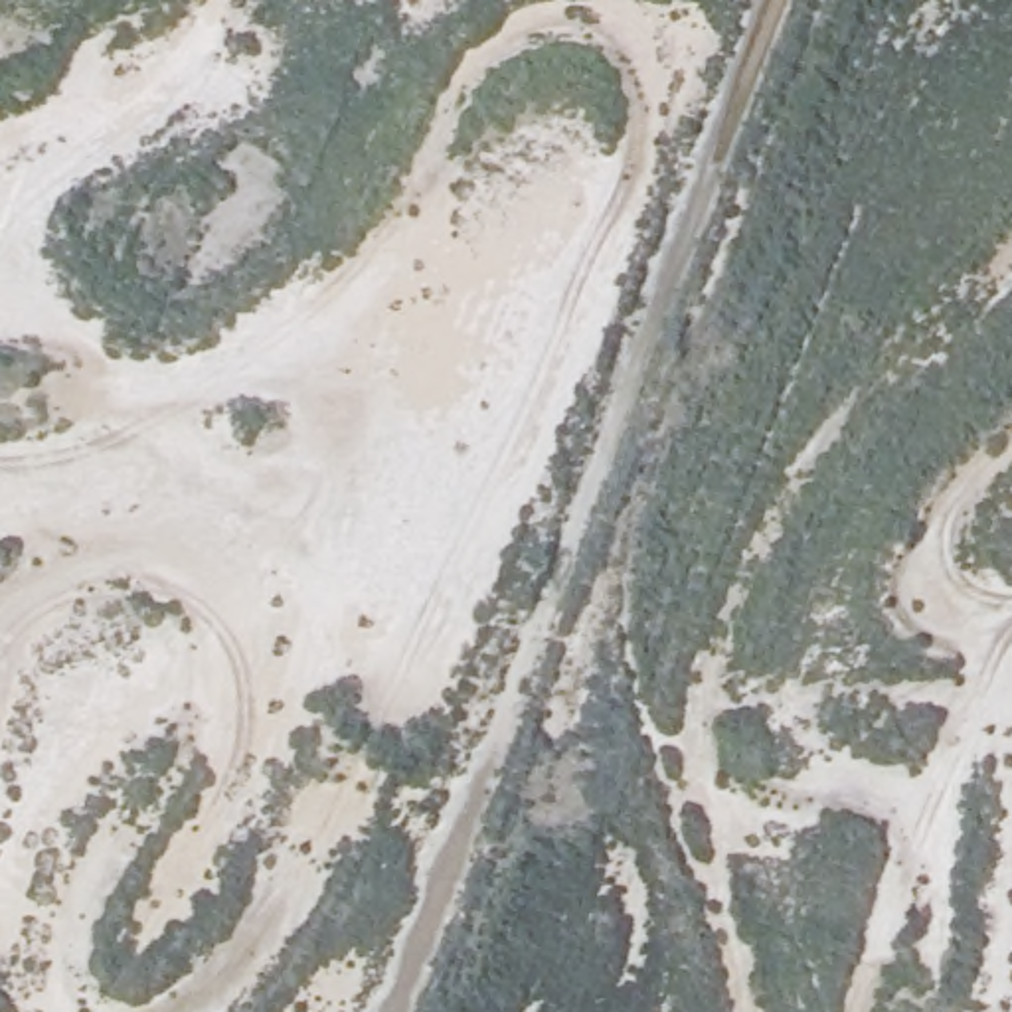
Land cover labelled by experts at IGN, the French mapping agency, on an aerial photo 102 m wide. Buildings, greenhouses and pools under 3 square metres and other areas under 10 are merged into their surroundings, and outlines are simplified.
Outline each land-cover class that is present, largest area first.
<instances>
[{"label":"pervious surface","instance_id":"1","mask_svg":"<svg viewBox=\"0 0 1012 1012\"><path fill-rule=\"evenodd\" d=\"M795 0H747L739 16L743 28L735 51H723L708 16L692 0H502V8L510 12L506 24L498 28V36L470 47L455 67L447 91L435 103V119L411 162V174L403 178V190L395 194L387 217L368 233L360 253L348 257L340 269L324 273L320 281H289L265 304L237 316V324L221 332L217 348L210 352L182 356L174 364L115 360L103 348V320H79L71 304L59 296L55 269L43 257L47 213L67 190L83 182L91 170L111 166L115 158H127L130 166L138 154L166 150L170 138H198L206 130H217L229 119H245L269 99L273 71L281 63V40L273 28L233 8V0H206L194 4L170 36L134 43L127 51H107L111 36L127 24L142 28V12L111 16L91 40L79 43L59 91L43 103L28 115H8L0 123V340L12 344L16 336H40L43 356L63 360L59 372L43 376V431L51 439H12L0 447V1012H229L233 1004L253 996L261 972L277 961L289 933L304 925L328 882L332 846H340L344 838H364V826L372 822L383 787V771L368 767L364 755L348 751L340 763L344 783H304L293 795L289 822L277 826L265 810L269 759L293 763V751L300 747H316L320 759L332 755V743L340 735L328 723V716L308 712L304 700L308 692L328 688L344 676L360 680L364 716L372 723L391 727L439 708L443 692L455 688L463 648L474 640V605L486 601V593L494 589L502 549L510 546L522 502L538 494V486L549 478L557 423L565 419L581 376L597 368L601 336L617 312V277L629 269V253L636 245V217L644 213L648 194L656 186V134L676 130L680 119H688L692 111H708L704 130L696 134V146L676 162L680 190L672 194L664 241L648 261L640 308L629 316L625 328L613 391L597 423V443L569 502V522L561 530L557 573L546 585L530 621L518 625V652L506 672V692L498 700H470L466 719L455 727L459 775H451V795L439 822L431 826L411 806L423 799V787H403L395 795V826H403L415 842V901L391 937L387 965L380 969L360 953H344L340 961L324 965L308 980V988H300L308 1012H419L435 961L443 953V937L463 913L470 870L478 858L490 854L482 822L498 791V767L522 719V680L538 668L549 629L557 625L561 597L569 593L577 569L581 538L589 530V510L597 506V494L613 470L644 360L660 336V320L676 312V289L688 277L696 265V241L704 237L719 206V178L731 170L739 138L751 115L759 111V91L767 83L771 55L791 24ZM553 36L569 43H597L621 71L629 123L617 150L601 154L593 123L585 119V111H573L546 119L522 115L514 130L486 127L470 154L451 158L447 146L455 138L459 115L470 107L482 75L510 55L546 47ZM245 395L285 407V427L261 431L253 447H241L233 431V399ZM134 593H150L154 601H182L186 609L174 621L166 617L162 625H146L142 613H134ZM166 723H178V755L158 783V799L142 814L127 810L123 751L146 747V739H158ZM198 755L210 759L213 783L202 791L198 814L182 822V830L158 858L150 893L134 905V949L158 941L170 921H186L194 909V893L217 889L213 854L225 842H237L253 830L265 838L269 850L257 854L253 897L233 937L213 945V953L194 957L190 972L174 980L166 992L150 996L146 1004L107 1000L91 972L95 921L103 913V901L119 886L123 870L134 862L138 846L158 830L174 791L182 787ZM87 799H111V814L99 818V830L87 854L79 858L71 854V834L59 814L83 806ZM43 846L59 850V905L28 901L32 866ZM459 0H399V16H407L411 24H427L439 12H455ZM988 20V8L961 0H933L909 12V28H917L921 55H937L945 32L957 20ZM51 32L12 24L8 16L0 20V51H20L32 43H47ZM225 170L237 178V194L213 206L202 253L190 265V285H202L210 273L225 269L241 249L257 245L261 225L281 206L277 162L257 146H237L225 158ZM850 419L838 403L806 439V447L787 463V482L767 506L763 530L739 553L735 581L719 605L723 636H716L712 648L696 656L700 684L688 688L684 727L676 735L660 731L652 708L644 704V668L633 633L621 629L617 636L597 640L613 585H633V573L601 569L589 605L577 617V629L565 644L561 676L549 696L546 731L561 735L581 723L593 672L613 688H633L640 731L652 743V775L668 791V822L676 846L692 866L696 882L708 889V897L719 901V913H708V925L723 933L727 992L735 1012H763L751 992L755 957L751 945L739 941V925L731 917V882L747 874V858H791L795 834L814 826L822 810H858L889 826V862L878 882V901L866 925V953L854 969L846 1012H870L882 965L893 961V937L901 933L909 905L929 909L921 961L929 976H941L953 937L949 878L961 838V791L972 775V763H980L984 755L996 759L1004 826L996 874L980 893V905L988 913L984 969L972 984V1000L965 1012H1012V585L996 569H961L957 534L961 526H972L976 502L988 494V482L1012 466V439L1000 455H976L933 478L929 494L917 506L925 538L917 542V549L893 542L882 569L886 581L878 585V613L889 621L893 636L933 633L929 656H965V684H846V672L866 664V644H858L842 660L838 648L810 644L799 656L791 680H783L779 672L747 676L727 664L735 648V613L747 601L743 589L763 569V557H771V546L783 534V518L795 510L799 490L810 478V466L822 451L838 443ZM826 696L858 700V708H866L870 696H889L901 708L937 704L949 716L925 771L909 775L905 767H878L854 759L850 751H838L830 735L818 731V704ZM735 708H767L771 727H783L802 747L806 771H799L795 779H767L751 799L743 791H723L716 783L712 731L716 716ZM688 802H700L712 818V862H700L692 854L684 830ZM593 771V763L569 755H542V763L530 775L526 799L553 791L557 802L534 806V822H589L581 775ZM605 874L621 882L629 913V965H644L648 941V901L633 850H609Z\"/></svg>","mask_w":1012,"mask_h":1012},{"label":"brushwood","instance_id":"2","mask_svg":"<svg viewBox=\"0 0 1012 1012\"><path fill-rule=\"evenodd\" d=\"M194 4L206 0H0V20L8 16L12 24L51 32L47 43H32L20 51L28 59V91H36L43 103L59 91L79 43L91 40L111 16L142 12V28L127 24L111 36L107 51H127L134 43L170 36ZM233 8L273 28L281 40V63L273 71L269 99L245 119H229L217 130H206L198 138H170L166 150L138 154L130 166L119 170V206L99 229H83L91 210V190L83 182L67 190L47 213L43 257L55 269L59 296L71 304L79 320H103V348L115 360L174 364L182 356L210 352L217 348L221 332L237 324V316L265 304L289 281H320L324 273L340 269L348 257L360 253L368 233L387 217L395 194L403 190V178L411 174V162L435 119V103L447 91L455 67L470 47L498 36V28L506 24L510 12L502 8V0H459L455 12H439L427 24H411L407 16H399V0H233ZM237 146H257L277 162L281 206L261 225L257 245L241 249L225 269L210 273L202 285H190V265L202 253L213 206L237 194V178L225 170V158ZM933 0H795L791 24L771 55L767 83L759 91V111L775 123L779 146L767 158L763 186L747 202V221L731 245L723 285L716 296H708L704 285L688 277L676 289V312L660 320V336L644 360L613 470L597 494V506L589 510V530L581 538L577 569L569 593L561 597L557 625L549 629L538 668L522 680V719L498 767V791L482 822L490 854L478 858L470 870L463 913L443 937V953L435 961L419 1012H735L727 992L723 933L708 925V913H719V901L708 897V889L696 882L692 866L676 846L668 822V791L652 775V743L640 731L633 688H613L593 672L581 723L561 735L546 731L549 696L561 676L565 644L577 629V617L589 605L601 569L633 573V585H613L597 640L617 636L621 629L633 633L644 668V704L652 708L660 731L676 735L684 727L688 688L700 684L696 656L712 648L716 636H723L719 605L735 581L739 553L763 530L767 506L787 482V463L806 447V439L838 403L850 419L838 443L822 451L810 466V478L799 490L795 510L783 518V534L771 546V557H763V569L743 589L747 601L735 613V648L727 664L747 676L779 672L783 680H791L799 656L810 644L838 648L842 660L858 644H866V664L846 672V684H965V656H929L933 633L893 636L889 621L878 613V585L886 581L882 569L893 542L917 549V542L925 538L917 506L929 494L933 478L976 455V435L984 427H996L1012 411V0H961L988 8V20H957L945 32L937 55H921L917 28H909V12ZM980 269L996 273V293L1004 296V304L992 308L957 296L961 273ZM542 755H569L593 763V771L581 775L589 822H534V806L557 802L553 791L526 799L530 775L542 763ZM633 850L648 901V941L644 965H629V913L613 925L589 921L605 874L609 850ZM573 111H585V119L593 123L601 154L617 150L629 123L621 71L597 43H569L553 36L546 47L510 55L482 75L470 107L459 115L455 138L447 146L451 158L470 154L486 127L514 130L522 115L546 119ZM708 111H692L688 119H680L676 130L656 134V186L648 194L644 213L636 217V245L629 253V269L617 277V312L601 336L597 368L581 376L565 419L557 423L549 478L538 486V494L522 502L510 546L502 549L494 589L486 593V601L474 605V640L463 648L455 688L443 692L439 708L391 727L372 723L364 716L360 680L344 676L328 688L308 692L304 700L308 712L328 716V723L340 735L332 743V755L320 759L316 747H300L293 751V763L269 759L265 810L277 826L289 822L293 795L304 783H344L340 763L348 751L364 755L368 767L383 771V787L372 822L364 826V838H344L340 846H332L328 882L304 925L289 933L277 961L261 972L253 996L233 1004L229 1012H308L300 988H308V980L324 965L340 961L344 953H360L380 969L387 965L391 937L415 901V842L403 826H395V795L403 787H423V799L411 806L431 826L439 822L451 795V775H459L455 727L466 719L470 700H498L506 692V672L518 652V625L530 621L546 585L557 573L561 530L569 522V502L597 443V423L613 391L625 328L629 316L640 308L648 261L664 241L672 194L680 190L676 162L696 146V134L704 130ZM961 569H996L1012 585V466L988 482V494L976 502L972 526H961L957 534ZM134 613H142L146 625H162L166 617L174 621L186 609L182 601H154L150 593H134ZM949 716L937 704L901 708L889 696H870L866 708H858V700L826 696L818 704V731L830 735L838 751H850L854 759L878 767H905L909 775L925 771ZM716 783L723 791H743L751 799L767 779H795L799 771H806L802 747L783 727H771L767 708H735L716 716L712 731ZM178 755V723H166L158 739H146V747L123 751L127 810L142 814L158 799V783ZM213 783L210 759L198 755L182 787L174 791L158 830L138 846L134 862L123 870L119 886L103 901V913L95 921L91 972L107 1000L146 1004L150 996L166 992L174 980L190 972L194 957L213 953V945L233 937L253 897L257 854L269 850L265 838L253 830L237 842H225L213 854L217 889L194 893V909L186 921H170L158 941L134 949V905L150 893L158 858L182 830V822L198 814L202 791ZM1004 826L996 759L984 755L980 763H972V775L961 791V838L949 878L953 937L941 976H929L921 961L929 909L909 905L901 933L893 937V961L882 965L870 1012H965L972 1000V984L984 969L988 913L980 905V893L996 874ZM111 814V799H87L83 806L59 814L71 834V854L79 858L87 854L99 830V818ZM889 862V826L858 810H822L814 826L795 834L791 858H747V874L731 882V917L739 925V941L751 945L755 957L751 992L763 1012H846L854 969L866 953V925L878 901V882ZM59 850L43 846L32 866L28 901L59 905Z\"/></svg>","mask_w":1012,"mask_h":1012},{"label":"herbaceous vegetation","instance_id":"3","mask_svg":"<svg viewBox=\"0 0 1012 1012\"><path fill-rule=\"evenodd\" d=\"M708 16L723 51H735L743 28L739 16L747 0H692ZM43 103L36 91H28V59L20 51H0V123L8 115H28ZM779 146L775 123L759 111L751 115L739 138L731 170L719 178V206L704 237L696 241V265L688 277L704 285L708 296H716L723 285L731 245L747 221V202L763 186L767 158ZM130 166L127 158H115L111 166L91 170L83 182L91 190V210L83 229H99L119 206V170ZM957 296L992 308L1004 304V296L996 293V273L980 269L961 273ZM63 360L43 356L40 336H16L12 344L0 340V447L12 439H51L43 431V376L59 372ZM285 427V407L245 395L233 399V431L241 447H253L261 431ZM1012 439V411L996 427H984L976 435V455H1000ZM684 830L692 854L700 862H712V818L700 802H688ZM589 921L613 925L629 913L621 882L605 874Z\"/></svg>","mask_w":1012,"mask_h":1012}]
</instances>
